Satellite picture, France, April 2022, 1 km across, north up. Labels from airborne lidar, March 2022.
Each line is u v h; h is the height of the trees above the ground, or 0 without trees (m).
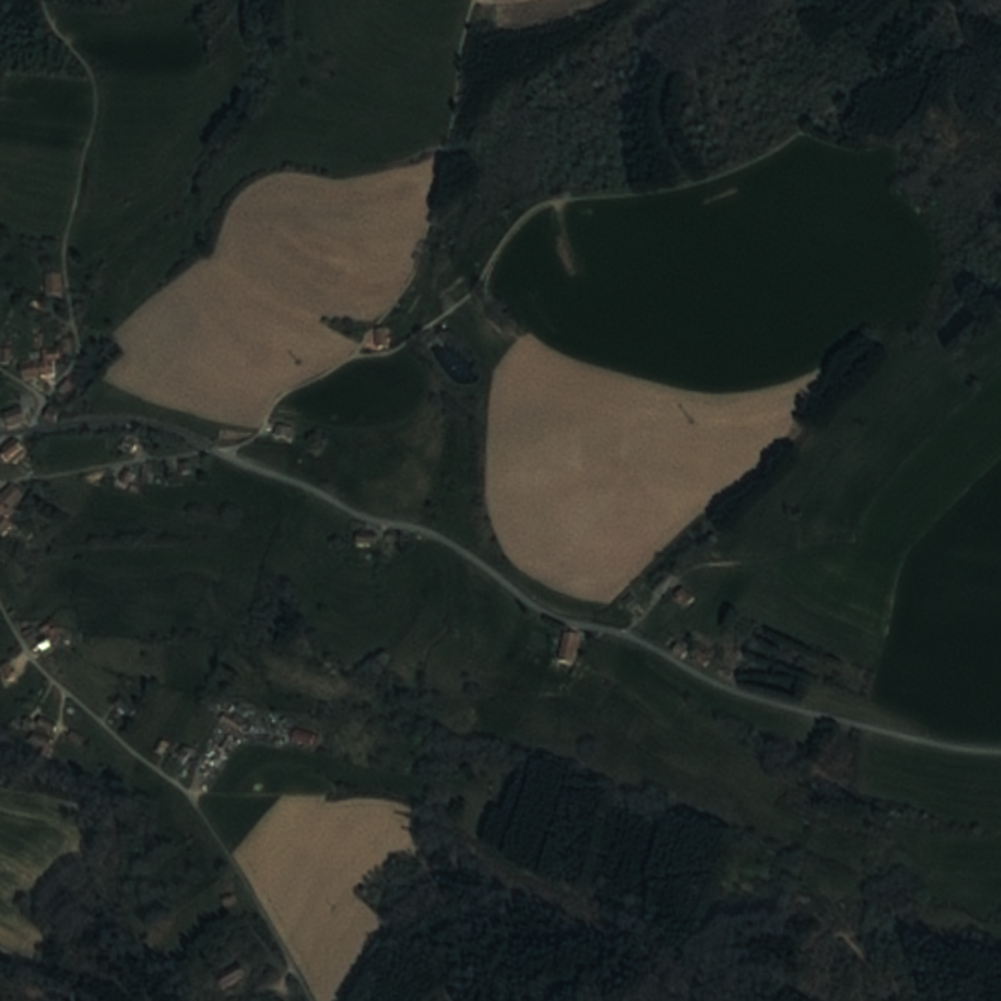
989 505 0
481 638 0
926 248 0
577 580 0
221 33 6
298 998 11
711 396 0
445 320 0
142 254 0
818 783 26
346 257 0
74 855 0
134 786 0
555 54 10
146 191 0
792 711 0
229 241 0
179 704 0
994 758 0
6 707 0
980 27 23
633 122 21
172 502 0
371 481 0
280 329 0
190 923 0
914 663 0
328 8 0
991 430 0
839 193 0
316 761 0
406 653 0
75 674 0
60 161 0
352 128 0
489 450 0
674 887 29
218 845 0
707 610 0
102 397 0
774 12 22
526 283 0
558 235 0
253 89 13
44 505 19
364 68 0
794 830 0
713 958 34
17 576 0
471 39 6
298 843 0
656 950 28
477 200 17
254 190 0
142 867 21
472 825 0
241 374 0
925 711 0
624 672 0
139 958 32
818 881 0
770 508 0
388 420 0
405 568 0
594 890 10
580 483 0
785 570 0
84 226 0
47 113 0
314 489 0
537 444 0
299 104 0
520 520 0
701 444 0
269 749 0
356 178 0
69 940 34
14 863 0
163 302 0
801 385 0
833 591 0
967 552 0
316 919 0
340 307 0
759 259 0
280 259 0
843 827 0
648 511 0
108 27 0
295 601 16
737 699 0
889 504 0
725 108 11
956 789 0
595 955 27
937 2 7
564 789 25
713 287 0
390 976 23
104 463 0
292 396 0
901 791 0
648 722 0
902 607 0
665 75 29
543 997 27
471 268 0
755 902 8
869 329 15
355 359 0
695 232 0
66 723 0
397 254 0
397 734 11
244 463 0
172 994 29
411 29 0
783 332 0
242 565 0
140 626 0
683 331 0
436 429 0
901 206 0
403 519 0
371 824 0
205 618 0
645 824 18
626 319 0
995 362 0
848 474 0
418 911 26
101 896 24
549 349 0
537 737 0
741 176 0
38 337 0
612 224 0
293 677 0
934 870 0
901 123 15
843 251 0
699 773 0
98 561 0
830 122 7
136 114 0
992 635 0
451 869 10
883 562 0
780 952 14
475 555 0
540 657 0
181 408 0
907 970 11
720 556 0
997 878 0
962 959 19
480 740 16
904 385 0
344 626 0
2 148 0
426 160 7
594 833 30
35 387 0
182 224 0
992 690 0
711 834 33
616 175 13
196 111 0
